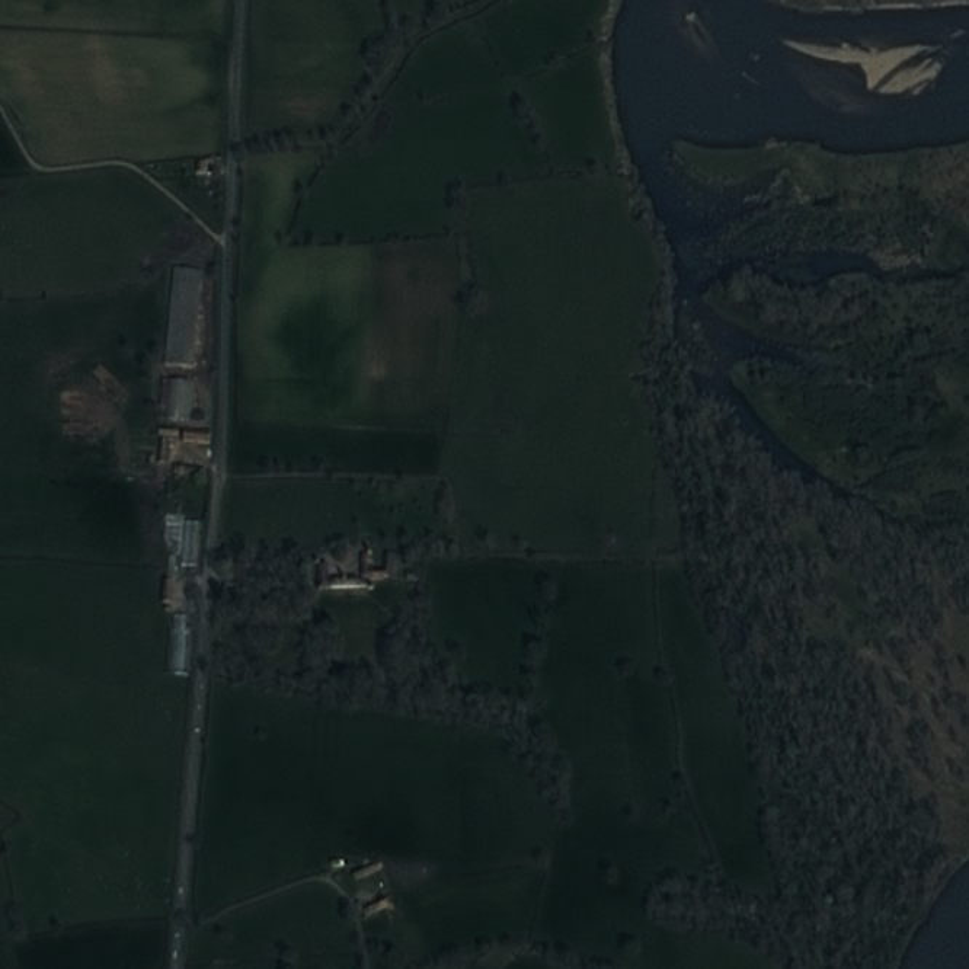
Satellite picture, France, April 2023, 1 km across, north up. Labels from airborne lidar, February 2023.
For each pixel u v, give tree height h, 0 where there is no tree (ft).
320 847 0
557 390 0
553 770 64
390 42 63
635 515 0
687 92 0
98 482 0
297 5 0
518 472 0
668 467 36
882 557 93
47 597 0
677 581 0
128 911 0
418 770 0
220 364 0
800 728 95
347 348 0
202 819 0
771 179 0
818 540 0
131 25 0
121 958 0
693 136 0
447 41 0
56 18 0
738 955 0
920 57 0
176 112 0
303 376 0
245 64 0
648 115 0
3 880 0
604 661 0
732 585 61
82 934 0
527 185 0
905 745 0
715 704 0
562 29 0
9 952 0
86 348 0
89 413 0
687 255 0
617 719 0
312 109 0
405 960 55
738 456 95
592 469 0
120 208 0
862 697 85
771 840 57
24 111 0
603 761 0
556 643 0
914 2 0
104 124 0
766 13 0
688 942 0
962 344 0
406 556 53
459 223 0
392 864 0
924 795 0
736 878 0
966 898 0
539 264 0
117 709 0
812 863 67
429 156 0
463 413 0
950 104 0
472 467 0
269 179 0
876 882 53
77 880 0
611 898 0
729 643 35
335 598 0
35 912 0
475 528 0
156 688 0
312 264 0
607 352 0
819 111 0
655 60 0
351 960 0
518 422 0
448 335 0
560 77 0
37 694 0
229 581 89
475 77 0
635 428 0
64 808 0
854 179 0
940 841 84
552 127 0
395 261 0
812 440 0
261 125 0
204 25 0
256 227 0
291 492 0
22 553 0
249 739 0
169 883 0
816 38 0
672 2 0
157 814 0
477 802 0
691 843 0
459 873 0
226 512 0
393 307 0
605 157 0
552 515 0
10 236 0
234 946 0
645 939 0
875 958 39
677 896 67
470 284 0
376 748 0
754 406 0
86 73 0
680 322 0
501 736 60
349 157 0
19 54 0
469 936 0
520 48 0
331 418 0
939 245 0
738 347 0
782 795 23
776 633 90
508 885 0
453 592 0
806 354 20
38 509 0
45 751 0
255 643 82
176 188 0
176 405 0
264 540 0
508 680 0
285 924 0
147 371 64
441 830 0
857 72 0
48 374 0
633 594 0
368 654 0
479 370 0
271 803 0
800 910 61
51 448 0
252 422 0
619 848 0
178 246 0
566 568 0
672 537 0
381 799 0
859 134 0
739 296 92
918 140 0
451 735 0
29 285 0
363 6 0
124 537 0
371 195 0
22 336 0
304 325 0
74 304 0
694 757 0
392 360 0
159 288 0
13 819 0
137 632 0
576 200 0
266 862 0
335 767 0
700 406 98
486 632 0
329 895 0
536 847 0
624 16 0
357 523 35
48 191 0
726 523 90
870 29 0
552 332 0
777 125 0
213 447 0
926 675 0
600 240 0
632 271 0
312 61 0
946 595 0
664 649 0
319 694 37
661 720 0
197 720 0
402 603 0
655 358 48
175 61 0
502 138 0
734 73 0
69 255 0
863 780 95
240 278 0
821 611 79
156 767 0
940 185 0
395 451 0
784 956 63
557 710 0
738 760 0
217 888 0
